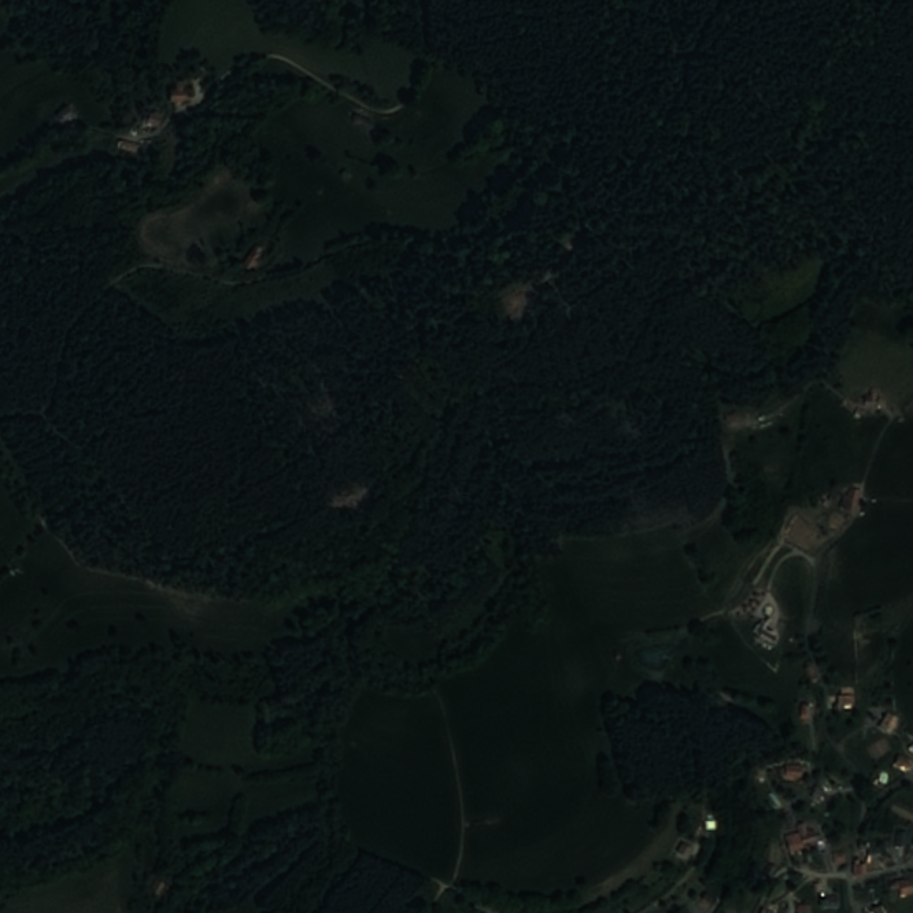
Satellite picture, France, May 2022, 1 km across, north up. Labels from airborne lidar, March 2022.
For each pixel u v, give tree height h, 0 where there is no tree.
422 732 0
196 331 6
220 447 22
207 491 22
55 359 20
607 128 29
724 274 31
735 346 30
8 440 20
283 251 0
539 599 14
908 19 20
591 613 0
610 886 0
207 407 24
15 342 18
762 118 30
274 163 14
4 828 7
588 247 28
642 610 0
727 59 26
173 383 19
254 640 0
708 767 29
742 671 0
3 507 0
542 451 29
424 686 21
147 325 20
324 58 0
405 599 18
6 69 0
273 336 23
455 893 11
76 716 17
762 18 32
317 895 12
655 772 26
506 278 31
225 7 0
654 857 0
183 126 22
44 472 22
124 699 25
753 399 22
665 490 29
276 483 20
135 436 20
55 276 23
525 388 21
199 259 21
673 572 0
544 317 23
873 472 0
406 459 7
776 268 25
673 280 25
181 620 0
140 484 25
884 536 0
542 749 0
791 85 26
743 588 0
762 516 14
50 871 21
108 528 11
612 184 27
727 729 35
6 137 0
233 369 17
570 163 26
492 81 18
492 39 19
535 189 28
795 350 9
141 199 14
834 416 0
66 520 21
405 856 0
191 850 19
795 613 0
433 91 0
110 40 29
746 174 32
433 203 0
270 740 24
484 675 0
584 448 20
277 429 18
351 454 24
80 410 23
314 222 0
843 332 25
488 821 0
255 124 18
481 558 20
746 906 0
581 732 0
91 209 21
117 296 22
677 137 24
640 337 24
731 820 11
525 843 0
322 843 17
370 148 0
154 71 17
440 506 22
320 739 16
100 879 0
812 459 0
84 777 27
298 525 25
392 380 24
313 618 24
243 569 17
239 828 10
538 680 0
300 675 19
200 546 9
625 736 25
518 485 31
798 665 8
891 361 0
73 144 20
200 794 0
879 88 22
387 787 0
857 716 9
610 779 16
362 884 18
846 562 0
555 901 13
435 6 23
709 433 31
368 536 20
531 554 23
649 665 0
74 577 0
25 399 22
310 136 0
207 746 0
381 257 7
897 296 14
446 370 29
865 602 0
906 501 0
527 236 30
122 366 20
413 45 14
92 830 26
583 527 26
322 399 24
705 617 0
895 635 0
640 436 25
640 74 28
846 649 0
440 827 0
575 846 0
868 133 29
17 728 16
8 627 0
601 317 20
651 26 29
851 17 27
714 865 12
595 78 28
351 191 0
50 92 0
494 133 24
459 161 9
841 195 34
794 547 0
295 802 0
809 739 0
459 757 0
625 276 20
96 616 0
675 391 26
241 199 0
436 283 28
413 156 0
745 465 10
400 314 29
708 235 24
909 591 0
